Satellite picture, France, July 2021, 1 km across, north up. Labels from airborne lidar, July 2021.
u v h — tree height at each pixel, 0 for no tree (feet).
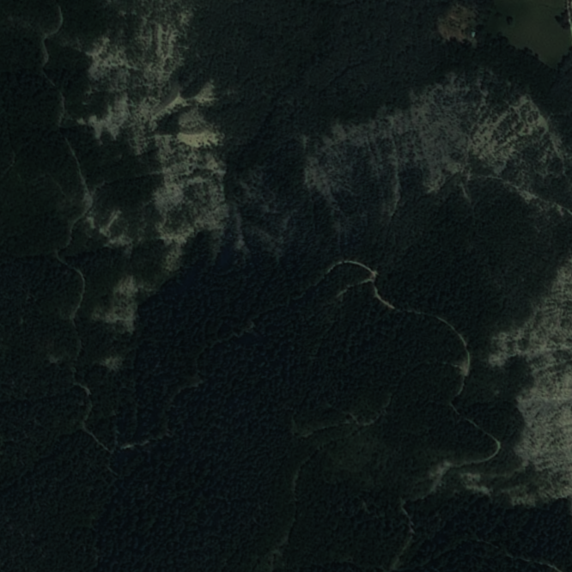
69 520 69
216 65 31
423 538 110
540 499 27
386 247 39
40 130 92
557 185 25
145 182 29
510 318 31
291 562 59
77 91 58
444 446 33
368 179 35
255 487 78
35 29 28
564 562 37
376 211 29
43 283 71
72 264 75
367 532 58
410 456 34
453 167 0
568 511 48
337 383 94
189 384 49
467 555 39
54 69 48
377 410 26
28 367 65
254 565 32
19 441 69
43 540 92
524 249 19
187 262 55
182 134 0
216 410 92
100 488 86
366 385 53
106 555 100
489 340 25
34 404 105
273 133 40
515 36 0
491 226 50
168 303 68
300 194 30
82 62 26
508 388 30
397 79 28
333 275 25
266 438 83
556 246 24
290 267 44
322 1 43
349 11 51
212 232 27
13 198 36
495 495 19
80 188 26
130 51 21
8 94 87
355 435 38
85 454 93
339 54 54
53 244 53
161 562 99
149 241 22
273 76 45
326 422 30
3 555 67
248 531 73
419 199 38
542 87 39
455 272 61
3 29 43
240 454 75
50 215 41
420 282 56
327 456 39
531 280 37
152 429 73
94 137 22
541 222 22
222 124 23
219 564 43
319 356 46
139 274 27
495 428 53
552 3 0
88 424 35
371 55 47
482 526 85
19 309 66
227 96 25
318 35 68
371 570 43
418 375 46
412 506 68
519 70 47
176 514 88
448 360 43
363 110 43
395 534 76
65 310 22
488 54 45
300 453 41
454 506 86
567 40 0
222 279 80
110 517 105
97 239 26
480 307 62
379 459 39
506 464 29
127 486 71
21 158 31
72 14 50
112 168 37
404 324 77
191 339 68
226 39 35
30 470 81
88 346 74
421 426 30
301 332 72
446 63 67
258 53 47
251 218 34
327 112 56
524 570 29
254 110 45
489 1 68
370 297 53
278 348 119
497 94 25
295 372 62
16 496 101
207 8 23
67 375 61
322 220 50
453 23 22
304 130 24
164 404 92
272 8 52
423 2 54
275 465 55
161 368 80
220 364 46
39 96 52
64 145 51
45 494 84
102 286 32
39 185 20
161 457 26
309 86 40
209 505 56
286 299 83
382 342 79
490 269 29
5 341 29
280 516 51
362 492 44
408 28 52
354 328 33
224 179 27
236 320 94
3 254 65
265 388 96
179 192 0
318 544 45
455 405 63
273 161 46
